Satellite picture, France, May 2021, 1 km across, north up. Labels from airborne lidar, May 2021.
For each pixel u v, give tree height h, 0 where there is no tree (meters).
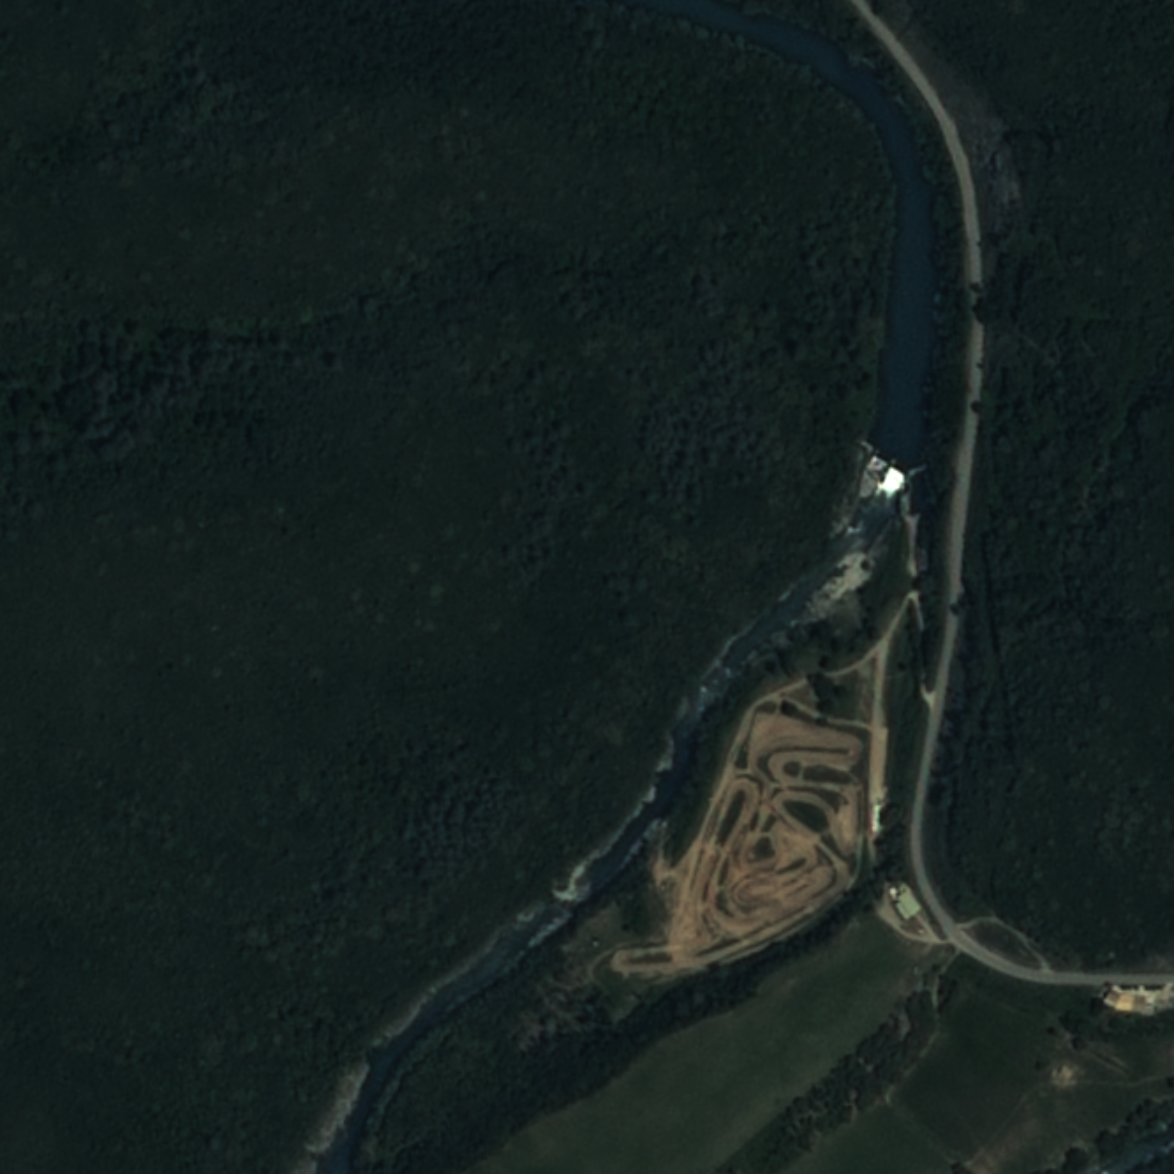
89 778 10
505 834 8
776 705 0
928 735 0
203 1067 14
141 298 7
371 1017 10
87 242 8
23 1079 8
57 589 6
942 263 19
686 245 22
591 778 10
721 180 10
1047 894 7
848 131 15
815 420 7
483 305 9
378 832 12
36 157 10
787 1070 0
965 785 11
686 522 8
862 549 0
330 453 8
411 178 10
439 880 20
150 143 16
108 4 8
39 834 11
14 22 9
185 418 8
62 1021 13
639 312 11
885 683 0
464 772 11
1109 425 11
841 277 9
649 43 15
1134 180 9
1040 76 7
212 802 9
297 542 7
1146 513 9
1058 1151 0
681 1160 0
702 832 0
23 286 8
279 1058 8
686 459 26
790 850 0
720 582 9
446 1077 17
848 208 11
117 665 8
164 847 13
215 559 6
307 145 12
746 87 15
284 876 8
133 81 17
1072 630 11
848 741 0
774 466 10
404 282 16
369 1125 9
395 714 9
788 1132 10
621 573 9
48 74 6
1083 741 6
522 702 13
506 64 16
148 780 11
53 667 6
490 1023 14
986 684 12
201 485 10
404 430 7
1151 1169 11
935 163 11
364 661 8
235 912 9
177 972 16
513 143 7
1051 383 7
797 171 9
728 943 0
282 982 20
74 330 12
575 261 13
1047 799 7
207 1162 11
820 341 12
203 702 6
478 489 9
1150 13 9
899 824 6
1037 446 7
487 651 10
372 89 18
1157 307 11
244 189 11
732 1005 8
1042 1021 0
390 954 9
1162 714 6
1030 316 12
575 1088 15
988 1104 0
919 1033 11
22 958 10
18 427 7
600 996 13
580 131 15
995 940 0
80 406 23
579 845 19
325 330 9
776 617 0
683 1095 0
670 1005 6
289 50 15
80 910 9
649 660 11
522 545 11
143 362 23
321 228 8
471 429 11
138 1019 10
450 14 15
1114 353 8
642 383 9
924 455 11
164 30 6
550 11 17
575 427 14
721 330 11
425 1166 19
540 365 13
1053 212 13
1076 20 8
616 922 0
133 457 10
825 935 10
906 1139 0
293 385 11
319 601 6
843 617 0
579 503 10
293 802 11
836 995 0
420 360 6
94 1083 10
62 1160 9
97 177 9
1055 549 8
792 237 14
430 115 7
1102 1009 13
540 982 12
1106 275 8
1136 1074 0
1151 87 12
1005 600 30
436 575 6
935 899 0
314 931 21
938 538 12
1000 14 9
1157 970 0
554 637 11
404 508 6
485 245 16
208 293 8
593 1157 0
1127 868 8
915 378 0
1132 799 9
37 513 21
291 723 8
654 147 11
